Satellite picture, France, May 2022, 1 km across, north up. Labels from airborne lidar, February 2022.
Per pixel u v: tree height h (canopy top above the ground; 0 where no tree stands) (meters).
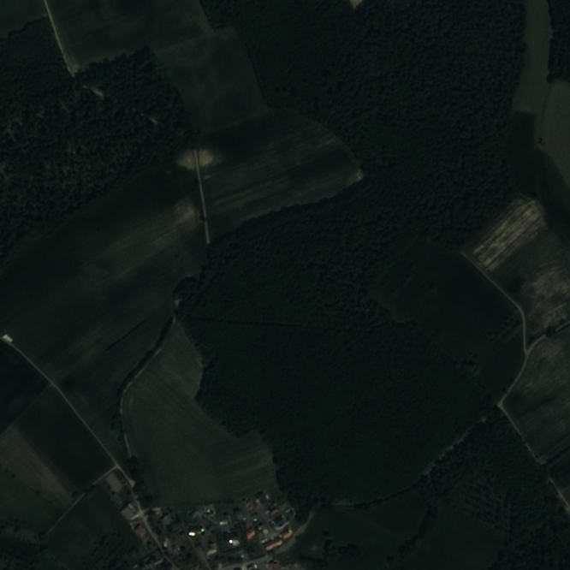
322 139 0
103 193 22
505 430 25
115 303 0
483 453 23
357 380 16
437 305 0
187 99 0
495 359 0
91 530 0
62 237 0
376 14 23
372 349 17
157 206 0
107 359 0
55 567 0
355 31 14
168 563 6
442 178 26
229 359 15
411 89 21
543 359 0
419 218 23
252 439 0
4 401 0
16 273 0
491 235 0
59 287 0
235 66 0
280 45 12
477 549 0
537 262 0
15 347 0
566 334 0
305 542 0
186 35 0
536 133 0
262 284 20
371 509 13
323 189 0
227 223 0
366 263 18
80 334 0
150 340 0
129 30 0
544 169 0
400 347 17
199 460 0
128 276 0
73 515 0
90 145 28
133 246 0
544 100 0
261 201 0
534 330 0
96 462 0
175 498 0
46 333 0
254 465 0
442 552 0
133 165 22
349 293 24
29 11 0
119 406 7
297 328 15
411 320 0
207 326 16
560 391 0
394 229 19
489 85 24
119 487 0
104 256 0
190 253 0
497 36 25
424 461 12
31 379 0
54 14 0
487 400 18
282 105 9
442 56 28
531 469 21
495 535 0
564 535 27
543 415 0
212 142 0
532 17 0
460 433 12
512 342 0
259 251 21
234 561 7
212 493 0
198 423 0
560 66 16
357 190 19
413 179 20
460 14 25
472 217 24
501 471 21
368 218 16
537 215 0
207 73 0
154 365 0
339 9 11
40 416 0
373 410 16
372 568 0
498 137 23
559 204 0
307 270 20
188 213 0
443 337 0
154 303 0
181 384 0
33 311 0
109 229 0
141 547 0
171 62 0
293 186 0
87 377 0
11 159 29
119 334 0
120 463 0
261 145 0
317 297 19
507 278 0
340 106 15
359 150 19
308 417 15
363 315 14
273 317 17
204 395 14
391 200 22
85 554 0
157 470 0
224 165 0
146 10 0
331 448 16
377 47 22
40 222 24
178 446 0
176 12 0
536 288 0
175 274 0
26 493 0
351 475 12
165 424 0
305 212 18
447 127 22
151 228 0
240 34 9
